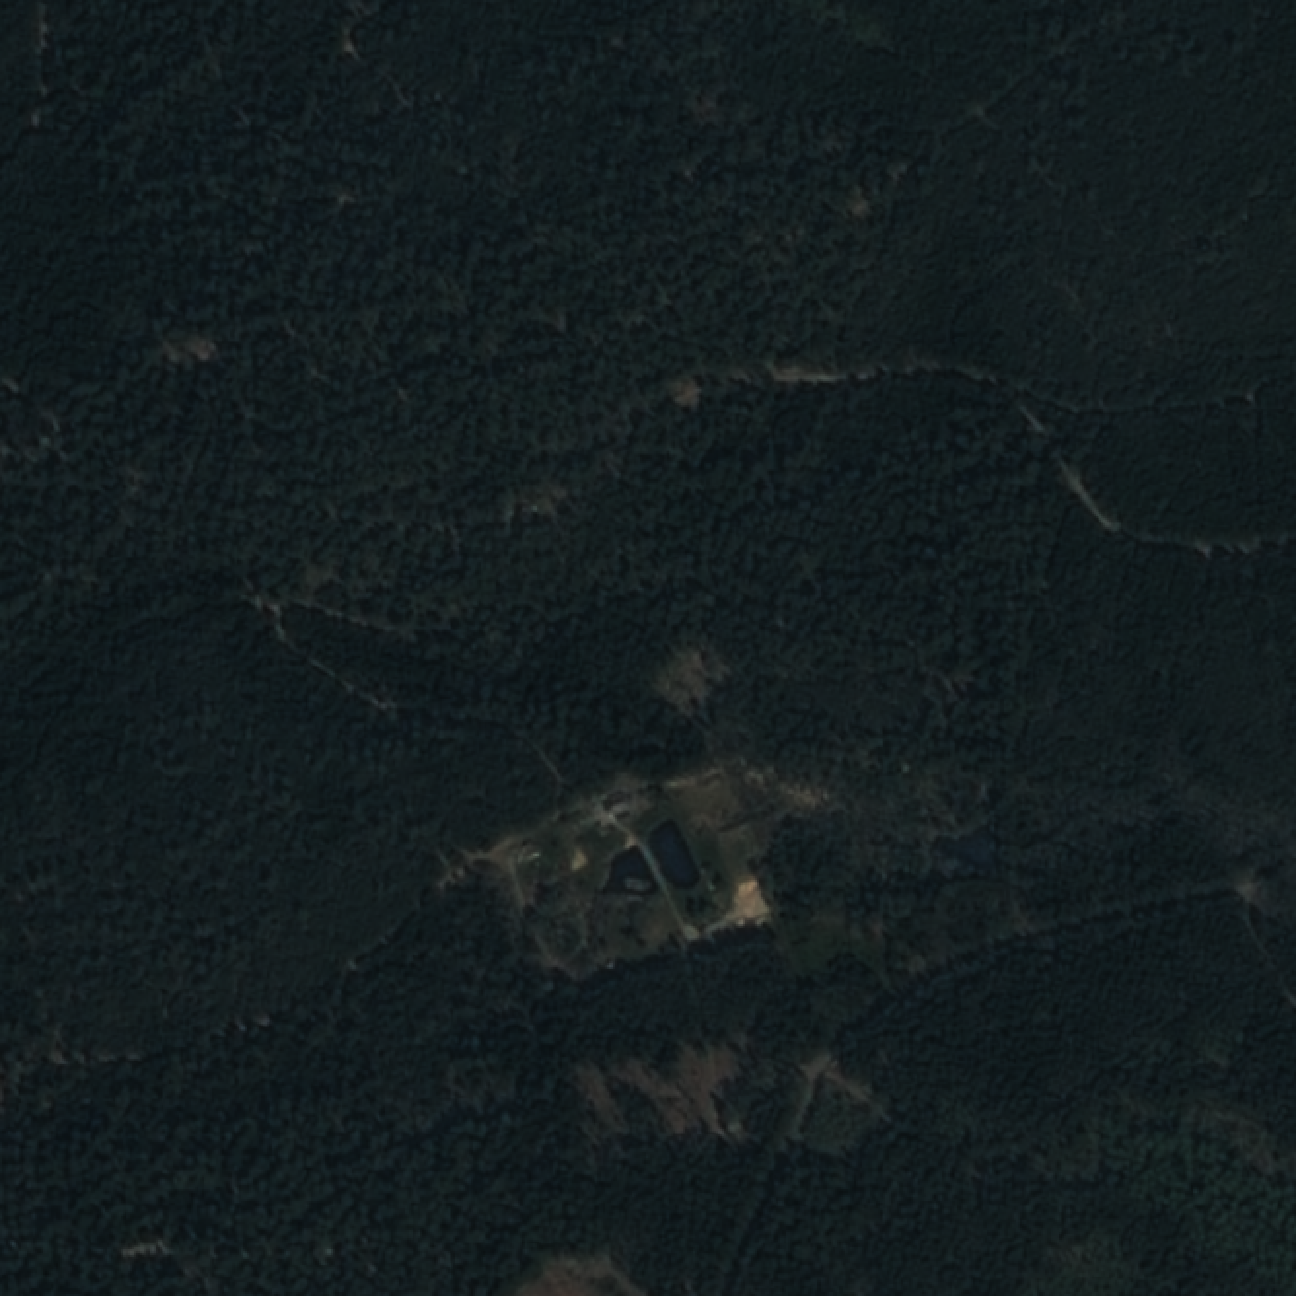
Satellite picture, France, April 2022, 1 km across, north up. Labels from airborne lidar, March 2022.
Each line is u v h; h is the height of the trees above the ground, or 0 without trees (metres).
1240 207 13
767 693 26
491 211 14
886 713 11
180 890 19
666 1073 26
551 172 14
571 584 23
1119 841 30
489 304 24
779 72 17
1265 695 18
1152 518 17
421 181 15
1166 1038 22
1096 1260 22
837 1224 28
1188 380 13
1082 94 34
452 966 14
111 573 21
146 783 16
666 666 24
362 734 13
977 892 13
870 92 16
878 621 30
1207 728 20
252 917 17
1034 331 15
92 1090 14
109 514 32
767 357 29
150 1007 14
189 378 19
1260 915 14
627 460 32
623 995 22
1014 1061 23
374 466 27
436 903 18
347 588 25
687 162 16
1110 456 17
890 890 12
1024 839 19
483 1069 31
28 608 34
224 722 27
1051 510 28
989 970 21
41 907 16
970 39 13
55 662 15
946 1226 25
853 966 7
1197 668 17
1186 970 25
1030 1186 28
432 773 15
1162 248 12
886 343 16
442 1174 9
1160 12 13
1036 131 12
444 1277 26
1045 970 25
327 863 14
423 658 13
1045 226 16
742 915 0
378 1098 10
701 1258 26
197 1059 15
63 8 18
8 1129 13
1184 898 22
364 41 15
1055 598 11
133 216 30
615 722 17
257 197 12
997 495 34
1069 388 12
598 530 28
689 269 6
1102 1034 26
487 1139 35
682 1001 26
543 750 25
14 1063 26
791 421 19
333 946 16
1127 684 19
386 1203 29
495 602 22
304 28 14
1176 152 12
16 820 15
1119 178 15
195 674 16
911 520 29
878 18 16
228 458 20
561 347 24
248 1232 31
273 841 14
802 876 18
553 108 14
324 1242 31
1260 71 14
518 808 17
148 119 33
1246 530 21
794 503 12
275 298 9
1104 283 13
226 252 28
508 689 30
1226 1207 26
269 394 27
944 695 10
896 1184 18
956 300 15
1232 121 15
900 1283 25
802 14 11
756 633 28
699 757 25
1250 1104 22
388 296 27
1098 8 10
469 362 7
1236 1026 26
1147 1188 24
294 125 28
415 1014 12
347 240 10
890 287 15
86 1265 28
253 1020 16
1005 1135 28
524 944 9
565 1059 23
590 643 32
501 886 11
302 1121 31
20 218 15
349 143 8
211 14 25
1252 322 15
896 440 12
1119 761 17
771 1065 25
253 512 27
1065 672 15
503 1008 7
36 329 23
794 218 23
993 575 27
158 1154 17
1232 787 15
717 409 24
